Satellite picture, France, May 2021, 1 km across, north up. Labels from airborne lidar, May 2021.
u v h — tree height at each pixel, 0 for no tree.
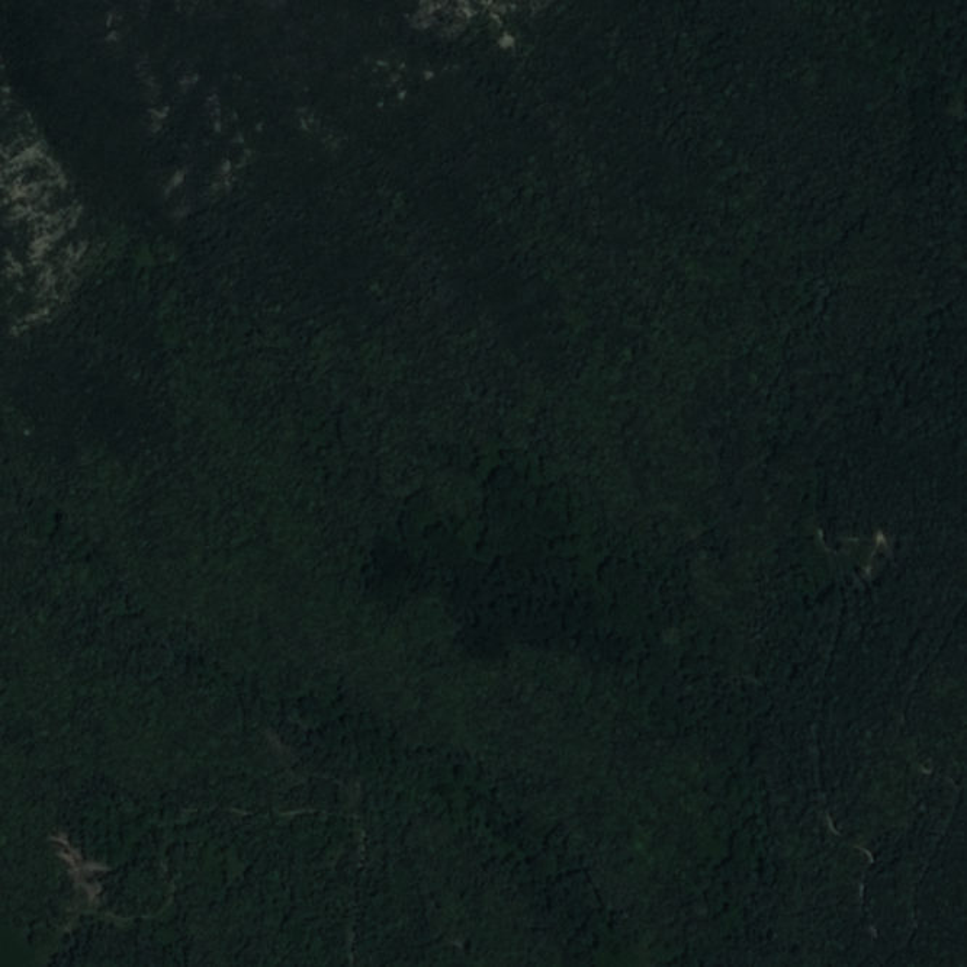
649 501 18
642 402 15
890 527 13
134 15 6
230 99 6
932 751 8
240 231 10
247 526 13
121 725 16
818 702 15
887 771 8
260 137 7
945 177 11
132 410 7
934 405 19
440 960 14
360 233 10
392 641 13
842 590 11
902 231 17
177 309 11
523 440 16
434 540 21
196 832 16
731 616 14
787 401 9
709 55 19
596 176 8
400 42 9
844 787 9
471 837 21
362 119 6
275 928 11
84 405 8
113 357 12
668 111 14
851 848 16
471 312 5
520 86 6
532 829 20
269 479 14
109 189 7
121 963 17
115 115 8
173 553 14
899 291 18
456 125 8
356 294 7
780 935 12
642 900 16
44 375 8
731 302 13
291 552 15
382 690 15
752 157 14
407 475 15
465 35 12
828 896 12
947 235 17
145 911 10
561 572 20
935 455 12
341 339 9
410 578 13
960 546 8
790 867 20
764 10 7
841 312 9
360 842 7
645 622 16
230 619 14
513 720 14
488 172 7
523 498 21
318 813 11
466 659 16
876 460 10
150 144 7
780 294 13
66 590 10
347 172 7
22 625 15
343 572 15
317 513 12
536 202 14
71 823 14
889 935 10
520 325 7
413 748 21
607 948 16
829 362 19
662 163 6
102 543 15
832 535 10
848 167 12
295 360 12
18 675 17
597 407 18
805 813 12
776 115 7
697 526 8
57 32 6
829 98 10
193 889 14
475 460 7
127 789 17
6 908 11
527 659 17
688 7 13
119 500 13
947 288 19
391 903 10
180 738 16
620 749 16
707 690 13
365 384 8
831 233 14
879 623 11
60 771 11
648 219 14
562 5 11
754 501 20
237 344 17
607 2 7
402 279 12
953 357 21
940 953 9
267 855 9
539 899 21
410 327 16
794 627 15
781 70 13
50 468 14
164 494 11
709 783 15
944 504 10
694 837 9
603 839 14
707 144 16
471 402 11
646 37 13
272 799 14
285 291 12
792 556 16
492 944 17
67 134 10
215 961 14
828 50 11
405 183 9
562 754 16
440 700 12
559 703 13
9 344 10
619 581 21
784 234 10
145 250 14
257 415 10
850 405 21
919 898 8
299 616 16
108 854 17
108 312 7
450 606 13
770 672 15
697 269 13
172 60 6
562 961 21
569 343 13
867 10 15
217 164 6
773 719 16
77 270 7
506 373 10
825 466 13
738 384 14
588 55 6
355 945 7
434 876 18
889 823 15
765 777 15
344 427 16
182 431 13
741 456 21
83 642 11
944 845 8
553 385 11
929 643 7
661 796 15
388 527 19
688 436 16
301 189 9
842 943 13
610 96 10
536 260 14
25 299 7
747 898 14
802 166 9
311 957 13
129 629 19
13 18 9
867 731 11
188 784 12
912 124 19
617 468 14
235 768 8
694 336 15
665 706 18
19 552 16
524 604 20
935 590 8
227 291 17
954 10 9
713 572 18
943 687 9
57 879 11
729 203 14
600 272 10
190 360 16
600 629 13
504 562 24
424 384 9
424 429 11
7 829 15
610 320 13
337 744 20
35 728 20
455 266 6
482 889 17
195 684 18
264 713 19
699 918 16
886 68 18
